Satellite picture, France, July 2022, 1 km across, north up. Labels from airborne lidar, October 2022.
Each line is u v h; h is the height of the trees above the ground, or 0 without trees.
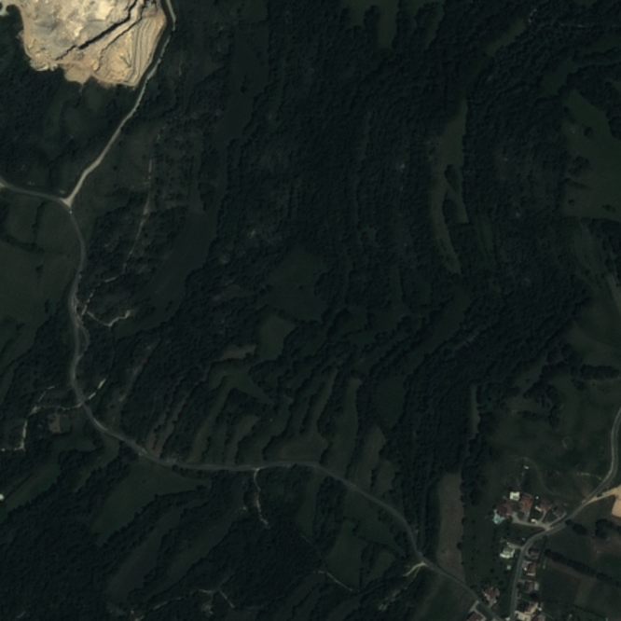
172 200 6
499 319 12
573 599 0
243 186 13
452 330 0
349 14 17
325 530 11
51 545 12
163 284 0
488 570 0
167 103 9
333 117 13
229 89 7
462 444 9
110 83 0
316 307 0
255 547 15
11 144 6
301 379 0
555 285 11
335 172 8
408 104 13
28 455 12
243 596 13
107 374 7
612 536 0
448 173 14
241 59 0
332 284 8
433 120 16
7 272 0
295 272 0
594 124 0
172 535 7
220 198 0
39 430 6
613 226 21
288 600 8
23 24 0
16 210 0
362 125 9
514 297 19
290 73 9
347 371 11
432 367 15
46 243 0
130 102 0
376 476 10
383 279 7
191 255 0
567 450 0
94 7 0
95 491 12
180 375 9
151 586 12
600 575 11
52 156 0
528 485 6
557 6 20
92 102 0
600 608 0
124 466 15
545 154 6
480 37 24
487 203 8
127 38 0
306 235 9
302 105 8
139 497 0
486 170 7
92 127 0
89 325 6
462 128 0
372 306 15
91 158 0
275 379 0
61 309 9
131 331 0
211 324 11
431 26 18
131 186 0
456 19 18
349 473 7
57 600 8
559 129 11
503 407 17
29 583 11
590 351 0
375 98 16
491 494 0
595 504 0
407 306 13
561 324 12
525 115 13
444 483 0
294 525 8
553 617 0
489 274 10
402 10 14
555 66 14
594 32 13
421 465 6
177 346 7
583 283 8
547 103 19
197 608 10
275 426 0
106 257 11
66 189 0
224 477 9
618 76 18
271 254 10
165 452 6
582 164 11
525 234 8
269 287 12
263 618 13
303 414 0
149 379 5
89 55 0
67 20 0
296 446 0
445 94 16
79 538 13
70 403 6
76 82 0
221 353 12
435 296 6
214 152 13
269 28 9
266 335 0
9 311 0
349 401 0
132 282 8
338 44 15
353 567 0
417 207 13
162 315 0
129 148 0
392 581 12
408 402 11
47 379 11
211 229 0
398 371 15
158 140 0
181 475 11
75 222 0
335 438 10
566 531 0
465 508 9
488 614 0
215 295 15
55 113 0
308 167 8
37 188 0
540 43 18
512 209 15
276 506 6
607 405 0
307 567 9
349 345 16
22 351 0
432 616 0
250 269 8
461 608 0
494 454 10
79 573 6
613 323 0
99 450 8
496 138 9
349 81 7
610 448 0
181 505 13
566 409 0
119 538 18
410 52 21
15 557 16
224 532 0
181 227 6
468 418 9
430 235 10
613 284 0
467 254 10
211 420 0
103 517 0
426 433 6
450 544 0
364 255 9
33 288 0
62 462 7
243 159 11
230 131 0
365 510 0
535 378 0
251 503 13
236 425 7
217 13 0
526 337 10
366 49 9
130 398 9
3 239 6
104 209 0
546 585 0
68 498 9
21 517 23
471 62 28
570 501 0
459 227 8
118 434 0
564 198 13
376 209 7
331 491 12
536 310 12
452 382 15
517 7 17
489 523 0
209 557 6
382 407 0
